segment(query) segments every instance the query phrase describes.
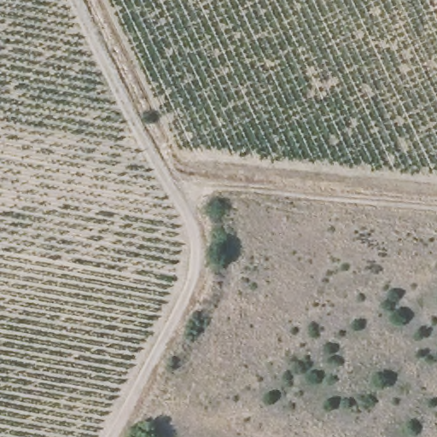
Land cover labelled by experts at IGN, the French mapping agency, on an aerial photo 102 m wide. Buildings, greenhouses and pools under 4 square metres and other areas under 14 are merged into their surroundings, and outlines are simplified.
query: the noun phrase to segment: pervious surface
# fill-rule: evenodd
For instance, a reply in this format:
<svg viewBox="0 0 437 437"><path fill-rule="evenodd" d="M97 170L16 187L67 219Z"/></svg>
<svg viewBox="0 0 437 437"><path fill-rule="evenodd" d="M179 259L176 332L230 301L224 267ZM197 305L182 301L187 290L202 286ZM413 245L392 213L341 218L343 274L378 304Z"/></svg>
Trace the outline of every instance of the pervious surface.
<svg viewBox="0 0 437 437"><path fill-rule="evenodd" d="M164 200L164 205L176 208L181 224L178 229L178 241L183 242L181 254L164 253L164 258L178 259L179 263L164 266L162 273L172 275L178 280L169 288L166 304L162 306L159 319L154 321L154 335L142 343L142 352L137 353L135 365L128 372L125 384L119 389L118 399L114 399L108 417L104 417L99 437L119 437L125 430L131 411L137 405L138 396L147 384L150 372L166 350L167 341L174 335L174 329L183 323L181 318L184 309L195 290L201 265L205 263L207 251L201 246L200 230L193 218L198 208L205 207L212 196L215 191L210 179L191 176L188 181L172 181L145 135L142 123L142 119L133 111L113 63L97 39L96 29L90 22L84 0L58 0L58 7L63 9L63 5L68 5L70 15L75 15L75 24L68 32L84 34L82 50L92 53L97 70L108 82L111 96L118 104L118 111L125 116L131 135L123 140L123 145L142 149L147 164L152 167L152 176L159 179L160 186L166 189L169 196Z"/></svg>

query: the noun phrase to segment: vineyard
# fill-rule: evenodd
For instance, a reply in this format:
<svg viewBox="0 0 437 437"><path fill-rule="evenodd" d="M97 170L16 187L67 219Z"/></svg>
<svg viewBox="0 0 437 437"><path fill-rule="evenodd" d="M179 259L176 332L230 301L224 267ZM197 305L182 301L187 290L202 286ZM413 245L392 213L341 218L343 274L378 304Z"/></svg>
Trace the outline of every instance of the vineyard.
<svg viewBox="0 0 437 437"><path fill-rule="evenodd" d="M271 162L283 159L307 162L328 160L331 164L336 162L340 166L348 167L369 164L372 171L398 169L399 172L406 174L418 174L423 167L430 174L437 171L437 0L114 0L119 7L116 12L119 26L131 34L128 43L140 61L140 68L147 77L150 89L155 97L160 96L164 99L164 104L160 104L155 111L145 111L142 119L142 123L155 123L162 116L171 113L174 119L169 123L169 130L174 131L174 142L178 149L183 150L224 149L227 152L236 152L241 157L256 152L261 159L268 159Z"/></svg>

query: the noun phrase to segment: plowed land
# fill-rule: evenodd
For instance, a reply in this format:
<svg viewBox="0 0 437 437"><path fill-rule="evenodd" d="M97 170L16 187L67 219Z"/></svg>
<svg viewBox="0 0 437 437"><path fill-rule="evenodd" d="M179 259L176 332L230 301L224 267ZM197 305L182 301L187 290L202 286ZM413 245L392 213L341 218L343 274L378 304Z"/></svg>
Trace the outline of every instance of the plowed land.
<svg viewBox="0 0 437 437"><path fill-rule="evenodd" d="M142 149L123 145L123 140L131 135L125 116L118 111L118 104L111 96L108 82L97 70L92 53L82 50L84 34L68 32L75 24L75 15L70 15L68 5L63 5L63 9L58 7L58 0L0 0L0 437L99 437L104 417L108 417L114 399L118 399L119 389L125 384L128 372L135 365L137 353L142 352L142 343L154 335L154 321L159 319L162 306L166 304L169 288L178 280L172 275L162 273L164 266L179 263L178 259L164 258L164 253L181 254L183 242L178 241L178 229L181 224L176 208L164 205L164 200L169 196L166 189L160 186L159 179L152 176L152 167L147 164Z"/></svg>
<svg viewBox="0 0 437 437"><path fill-rule="evenodd" d="M145 111L155 111L160 104L164 104L164 99L160 96L155 97L150 89L147 77L140 68L140 61L128 43L131 34L119 26L116 12L119 7L114 0L84 0L90 22L96 29L97 39L113 63L133 111L142 119Z"/></svg>
<svg viewBox="0 0 437 437"><path fill-rule="evenodd" d="M207 251L212 244L212 220L205 213L205 207L198 208L193 218L200 230L201 246Z"/></svg>
<svg viewBox="0 0 437 437"><path fill-rule="evenodd" d="M210 179L215 191L212 196L222 196L230 201L232 207L229 215L236 218L236 234L241 241L241 254L234 263L230 263L229 268L205 263L201 265L195 290L184 309L181 318L183 323L174 329L174 335L167 341L166 350L150 372L147 384L138 396L137 405L131 411L125 430L119 437L128 437L131 425L142 422L145 418L157 417L171 418L176 437L437 437L437 171L430 174L423 167L418 174L406 174L399 172L398 169L372 171L369 164L348 167L340 166L336 162L331 164L328 160L307 162L283 159L271 162L268 159L261 159L256 152L241 157L236 152L227 152L224 149L183 150L178 149L174 142L174 131L169 130L169 123L174 119L171 113L162 116L155 123L142 123L145 135L172 181L188 181L191 176ZM391 290L394 290L394 294L401 299L399 302L403 307L399 309L399 316L403 318L403 324L394 324L389 311L382 307L382 302L386 300L387 294L391 294Z"/></svg>

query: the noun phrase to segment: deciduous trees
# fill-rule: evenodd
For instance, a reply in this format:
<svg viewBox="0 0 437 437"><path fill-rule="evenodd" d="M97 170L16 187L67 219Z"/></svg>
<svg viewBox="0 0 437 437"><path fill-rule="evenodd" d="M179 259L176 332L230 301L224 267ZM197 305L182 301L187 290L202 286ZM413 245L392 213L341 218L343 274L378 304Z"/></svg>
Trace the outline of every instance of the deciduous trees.
<svg viewBox="0 0 437 437"><path fill-rule="evenodd" d="M391 294L387 294L386 300L382 302L382 307L389 311L394 324L403 324L403 318L399 316L399 309L403 307L399 302L401 299L394 294L394 290L391 290Z"/></svg>
<svg viewBox="0 0 437 437"><path fill-rule="evenodd" d="M157 417L145 418L142 422L131 425L128 437L176 437L171 418Z"/></svg>
<svg viewBox="0 0 437 437"><path fill-rule="evenodd" d="M205 263L229 268L230 263L234 263L241 254L241 241L236 234L236 218L229 215L232 207L230 201L222 196L212 196L205 207L205 213L212 220L212 244L207 251Z"/></svg>

